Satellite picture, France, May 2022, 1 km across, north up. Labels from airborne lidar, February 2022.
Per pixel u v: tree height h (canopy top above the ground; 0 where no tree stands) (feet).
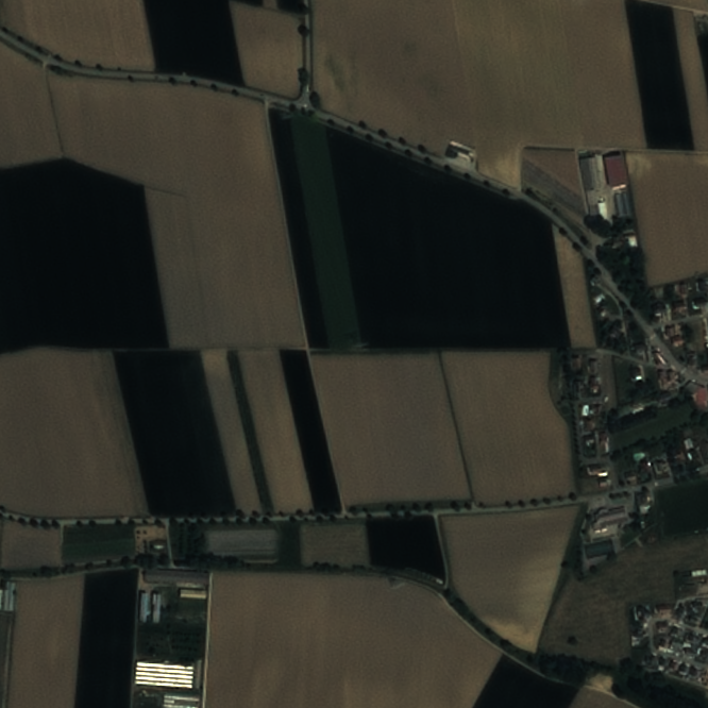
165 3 0
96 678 0
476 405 0
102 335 0
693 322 0
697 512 0
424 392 0
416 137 0
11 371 0
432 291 0
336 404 0
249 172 0
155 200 0
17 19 0
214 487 0
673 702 93
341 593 0
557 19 0
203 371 0
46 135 0
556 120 0
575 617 0
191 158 0
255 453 0
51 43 0
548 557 0
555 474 0
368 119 0
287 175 0
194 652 0
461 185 0
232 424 0
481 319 0
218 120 0
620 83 0
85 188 0
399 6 0
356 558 0
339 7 0
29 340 0
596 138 0
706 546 0
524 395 0
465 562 0
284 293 0
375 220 0
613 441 0
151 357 0
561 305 0
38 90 0
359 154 0
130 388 0
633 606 0
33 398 0
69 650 0
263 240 0
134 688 0
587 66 0
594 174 0
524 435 0
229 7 0
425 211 0
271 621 0
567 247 0
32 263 0
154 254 0
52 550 0
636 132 0
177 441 0
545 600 0
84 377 0
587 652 0
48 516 0
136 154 0
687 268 0
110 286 0
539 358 0
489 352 0
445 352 0
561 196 0
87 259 0
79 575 0
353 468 0
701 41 0
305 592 0
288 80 0
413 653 0
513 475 0
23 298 0
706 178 0
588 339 0
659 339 0
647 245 0
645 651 0
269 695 0
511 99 0
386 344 0
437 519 0
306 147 0
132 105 0
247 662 0
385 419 0
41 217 0
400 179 0
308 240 0
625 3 0
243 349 0
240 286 0
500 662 0
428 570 0
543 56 0
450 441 0
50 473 0
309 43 0
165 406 0
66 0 0
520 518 0
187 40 0
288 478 0
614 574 0
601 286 0
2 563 0
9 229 0
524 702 0
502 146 0
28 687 0
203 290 0
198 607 0
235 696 0
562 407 0
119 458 0
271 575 0
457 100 0
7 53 0
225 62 0
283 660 0
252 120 0
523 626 0
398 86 0
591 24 0
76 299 0
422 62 0
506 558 0
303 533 0
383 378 0
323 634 0
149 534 0
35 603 0
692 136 0
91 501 0
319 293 0
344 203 0
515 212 0
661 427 0
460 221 0
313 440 0
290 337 0
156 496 0
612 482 0
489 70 0
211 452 0
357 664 0
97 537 0
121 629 0
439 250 0
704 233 0
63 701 0
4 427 0
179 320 0
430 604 0
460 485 0
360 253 0
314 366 0
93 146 0
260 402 0
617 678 0
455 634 0
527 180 0
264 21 0
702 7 0
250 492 0
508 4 0
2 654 0
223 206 0
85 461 0
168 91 0
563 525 0
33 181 0
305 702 0
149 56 0
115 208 0
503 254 0
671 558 0
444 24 0
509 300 0
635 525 37
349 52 0
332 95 0
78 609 0
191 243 0
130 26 0
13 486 0
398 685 0
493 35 0
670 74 0
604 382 0
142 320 0
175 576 0
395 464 0
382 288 0
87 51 0
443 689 0
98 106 0
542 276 0
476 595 0
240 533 0
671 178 0
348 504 0
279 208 0
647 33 0
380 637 0
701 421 36
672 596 0
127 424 0
